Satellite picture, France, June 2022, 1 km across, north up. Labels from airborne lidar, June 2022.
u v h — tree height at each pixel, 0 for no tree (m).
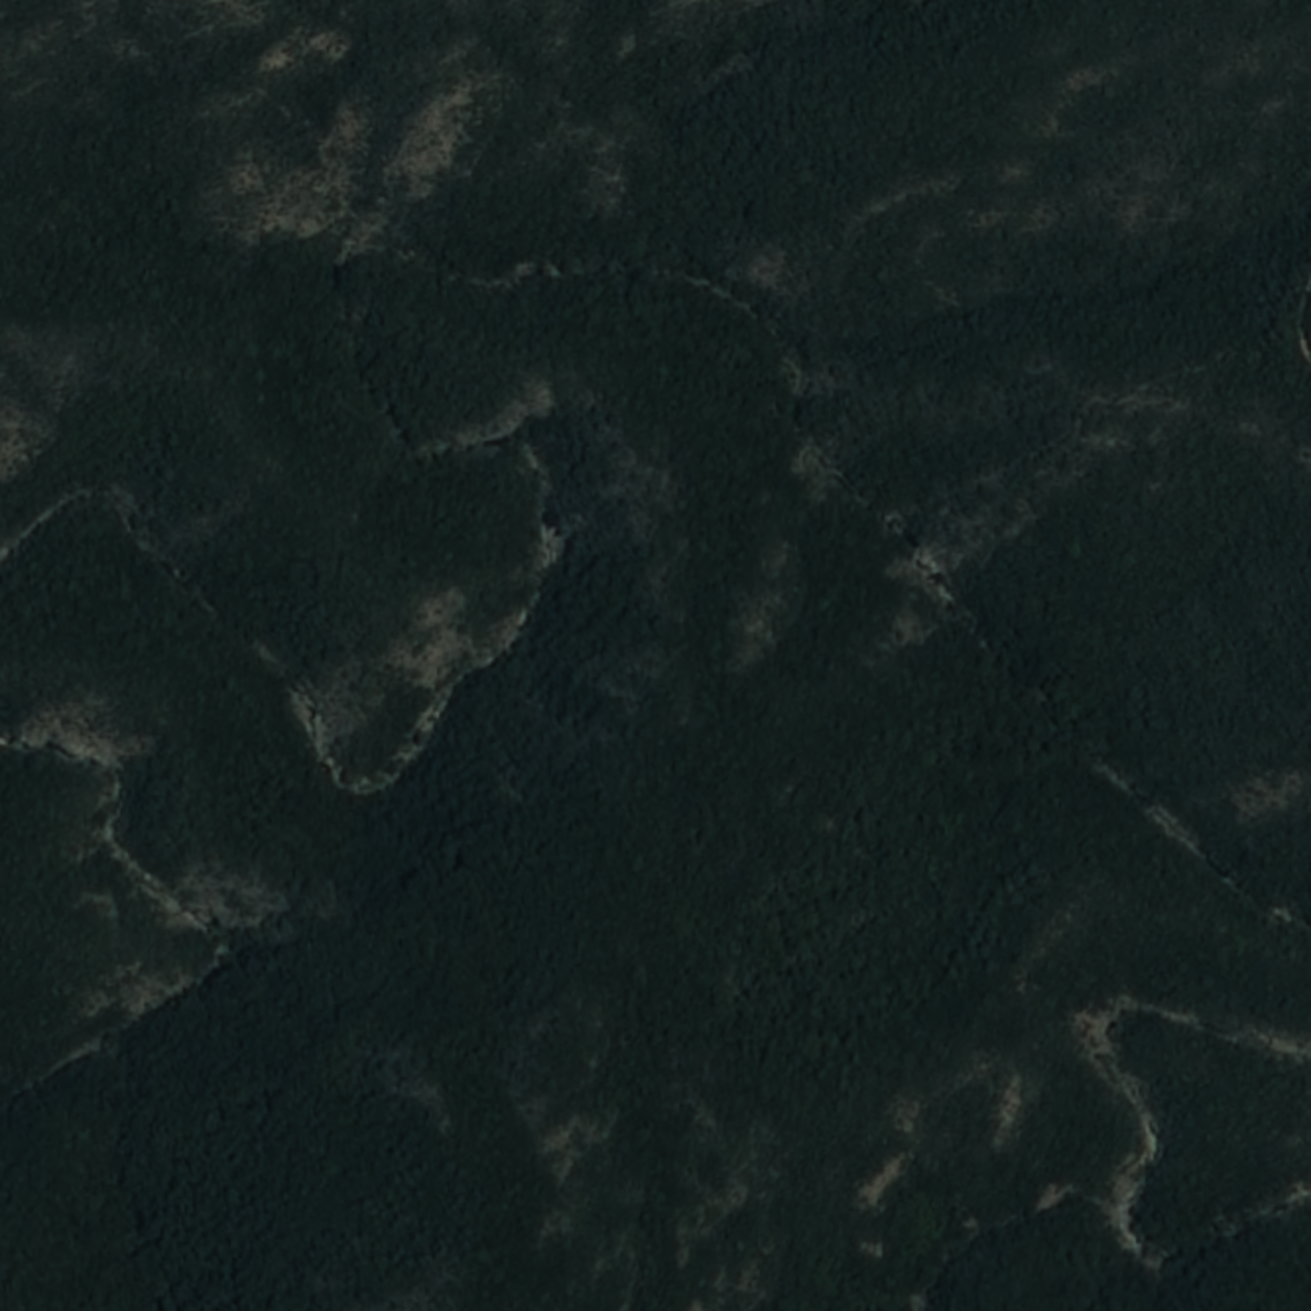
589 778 9
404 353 12
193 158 7
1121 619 13
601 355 8
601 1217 6
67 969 7
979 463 8
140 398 13
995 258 11
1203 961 8
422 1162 8
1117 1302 20
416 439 15
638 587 9
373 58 8
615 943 9
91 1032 7
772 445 19
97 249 7
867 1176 6
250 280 10
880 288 7
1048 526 10
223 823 9
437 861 21
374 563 6
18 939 7
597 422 7
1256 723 6
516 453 6
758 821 9
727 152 11
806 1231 13
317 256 12
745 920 10
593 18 10
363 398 17
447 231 7
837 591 13
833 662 11
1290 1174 8
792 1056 11
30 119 8
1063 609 11
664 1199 10
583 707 10
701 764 8
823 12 11
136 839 9
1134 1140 6
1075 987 12
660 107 16
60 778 7
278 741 8
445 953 20
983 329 10
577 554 9
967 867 7
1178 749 7
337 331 16
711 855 10
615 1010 8
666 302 12
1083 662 15
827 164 10
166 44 7
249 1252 8
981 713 13
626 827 7
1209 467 10
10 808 8
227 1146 11
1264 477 8
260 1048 19
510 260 11
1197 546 10
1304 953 6
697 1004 12
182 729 6
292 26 7
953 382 8
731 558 11
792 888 14
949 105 7
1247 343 7
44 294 12
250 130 8
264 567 10
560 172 7
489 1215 9
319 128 9
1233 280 11
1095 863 10
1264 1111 6
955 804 14
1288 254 7
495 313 11
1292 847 7
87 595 8
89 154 13
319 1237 9
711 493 16
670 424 8
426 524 14
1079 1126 12
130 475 7
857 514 9
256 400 6
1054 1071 6
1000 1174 8
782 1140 11
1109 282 7
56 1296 11
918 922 12
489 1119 9
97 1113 12
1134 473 7
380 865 11
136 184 7
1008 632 15
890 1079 9
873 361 11
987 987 10
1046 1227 12
